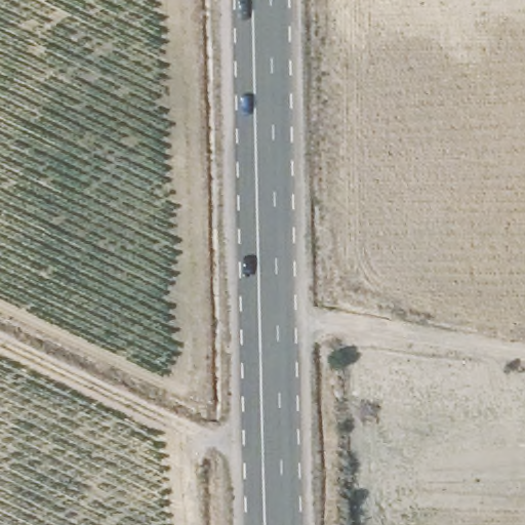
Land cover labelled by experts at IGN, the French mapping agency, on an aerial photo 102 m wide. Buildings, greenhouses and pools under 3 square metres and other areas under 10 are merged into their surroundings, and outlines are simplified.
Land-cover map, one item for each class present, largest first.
<instances>
[{"label":"plowed land","instance_id":"1","mask_svg":"<svg viewBox=\"0 0 525 525\"><path fill-rule=\"evenodd\" d=\"M160 14H166L168 29L164 35L166 53H158V59L168 62L170 94L158 98L156 103L160 107H166L168 119L174 121V127L168 135V154L170 180L174 183L176 191L174 203H178L174 228L176 236H180V254L174 265L178 277L168 291V301L176 304V308L172 310V326L178 328V332H174V340L183 342V351L176 357L170 375L152 373L127 361L121 353L105 351L98 345H92L55 324L37 318L25 308L0 299V322L12 324L37 338L49 340L70 353H76L86 361L94 363L96 367H117L125 371L129 379L135 383L146 381L164 388L168 390V402L180 404L193 412L207 416V406L211 402V381L207 365V199L203 168L205 150L201 146V33L199 23L193 21L195 0H158ZM322 70L328 72L332 84H340V113L336 117L340 129V156L336 158L338 172H334V180L340 187V191L336 193V209L342 213V219L336 232L338 254L342 263L336 267L334 277H340L349 271L353 283H361L367 289L386 291L398 297L402 308L429 312L433 314V320H429L427 326H412L400 320H371L363 318L365 310L361 306H353L349 301L338 304L340 312L316 310L312 306L310 295V273L295 283L293 336L295 345H299V357L308 353L312 355L314 342L332 340L338 336L347 345L338 351L342 365L351 369V396L379 402L381 406L379 422H357L351 431V445L359 459L357 486L367 490V494L381 502L386 519L398 525H400L404 521L402 513L410 507L480 509V496L484 490L519 494L525 488V0H330V35L322 51Z\"/></svg>","mask_w":525,"mask_h":525},{"label":"vineyard","instance_id":"2","mask_svg":"<svg viewBox=\"0 0 525 525\"><path fill-rule=\"evenodd\" d=\"M168 29L166 14H160L158 0H0V299L25 308L37 318L55 324L92 345H98L105 351L121 353L127 361L152 373L170 375L176 357L183 351V342L174 340V332H178V328L172 326V310L176 308V304L168 301V291L178 277L174 265L180 254V236H176L174 228L178 203H174L176 191L174 183L170 180L168 154V135L174 127V121L168 119L166 107H160L156 103L158 98L170 94L168 62L158 59V53H166L164 35ZM166 443L162 441L160 429L142 425L139 420L123 414L121 410L105 406L98 400L57 379H51L49 375L31 369L29 365H23L10 357L0 355V525H172V513L166 511V507H170L172 490L162 486L168 482L170 466H164V459L168 455L164 453Z\"/></svg>","mask_w":525,"mask_h":525},{"label":"herbaceous vegetation","instance_id":"3","mask_svg":"<svg viewBox=\"0 0 525 525\"><path fill-rule=\"evenodd\" d=\"M240 6V0H195L193 21L199 23L201 33V146L205 150L203 168L207 199V365L211 381V402L207 406V416L193 412L180 404L168 402V390L164 388L146 381L135 383L129 379L125 371L117 367H96L94 363L86 361L76 353H70L49 340L37 338L12 324L0 322V330L12 334L21 342L41 349L51 357L72 363L113 386H121L127 392L148 402H154L160 408H166L183 418H189L197 425L219 427L230 418V340H236L238 347H242L244 342V332L242 328H238L242 295H238V279L244 275V263L236 256V246L242 242V234L236 228L234 219V213L240 209V197L234 193V178L240 176V164L234 160V144H238L240 133L234 127V111L246 105V98L234 94L232 84L238 66L232 57L236 29L232 27V10ZM312 41L304 39L310 273V295L312 306L316 310L340 312L338 304L349 301L353 306H361L365 310L363 318L371 320H400L412 326H427L429 320H433V314L429 312L402 308L398 297L386 291L367 289L361 283H353L349 271L340 277H334L336 267L342 263L338 254L336 232L342 219V213L336 209V193L340 191V187L334 180V172H338L336 158L340 156V129L336 117L340 113V84H332L328 72L322 70V51L330 35V0H310ZM347 345L338 336L332 340L314 342L312 355V451L318 453V466L312 468L316 525H351L349 504L345 498H340V486L342 482H353L357 486L359 459L351 445V431L357 422H379L381 406L379 402L351 396V369L342 365L338 351ZM203 492L201 525H234V486L230 461L221 451L213 449H207L205 459L201 461V474L197 476ZM404 521L400 525H525V488L519 494L484 490L480 496V509L410 507L402 513ZM361 525H398L386 519L381 502L367 494L363 502Z\"/></svg>","mask_w":525,"mask_h":525},{"label":"impervious surface","instance_id":"4","mask_svg":"<svg viewBox=\"0 0 525 525\"><path fill-rule=\"evenodd\" d=\"M232 27L236 29L232 57L238 66L232 84L234 94L246 98V105L234 111V127L240 133L238 144H234V160L240 164V176L234 178V193L240 197V209L234 213V219L236 228L242 234V242L236 246V256L244 263V275L238 279V295H242L238 328H242L244 332V342L242 347H238L236 340H230V418L219 427L224 435L213 437V449L221 451L230 461L234 486V525H316L312 468L318 466V453L312 451V355L308 353L299 357V345H295L293 336L295 283L310 273L304 39V0H240V6L232 10Z\"/></svg>","mask_w":525,"mask_h":525},{"label":"pervious surface","instance_id":"5","mask_svg":"<svg viewBox=\"0 0 525 525\"><path fill-rule=\"evenodd\" d=\"M0 355L10 357L23 365H29L31 369L49 375L51 379H57L98 400L105 406L121 410L123 414L139 420L142 425L160 429L162 441L166 443L164 453L168 455L164 459V466H170L168 482L162 486L172 490L170 507H166V511L172 513V525H201L203 492L197 476L201 474V461L205 459L207 449H213V437L224 435L219 427L197 425L189 418H183L166 408H160L154 402H148L127 392L121 386H113L72 363L51 357L41 349L21 342L12 334L0 330Z\"/></svg>","mask_w":525,"mask_h":525},{"label":"deciduous trees","instance_id":"6","mask_svg":"<svg viewBox=\"0 0 525 525\"><path fill-rule=\"evenodd\" d=\"M340 498H345L349 504L351 525H361L363 502L367 494V490L357 486L353 482H342L340 486Z\"/></svg>","mask_w":525,"mask_h":525},{"label":"brushwood","instance_id":"7","mask_svg":"<svg viewBox=\"0 0 525 525\"><path fill-rule=\"evenodd\" d=\"M310 0H304V39L312 41Z\"/></svg>","mask_w":525,"mask_h":525}]
</instances>
